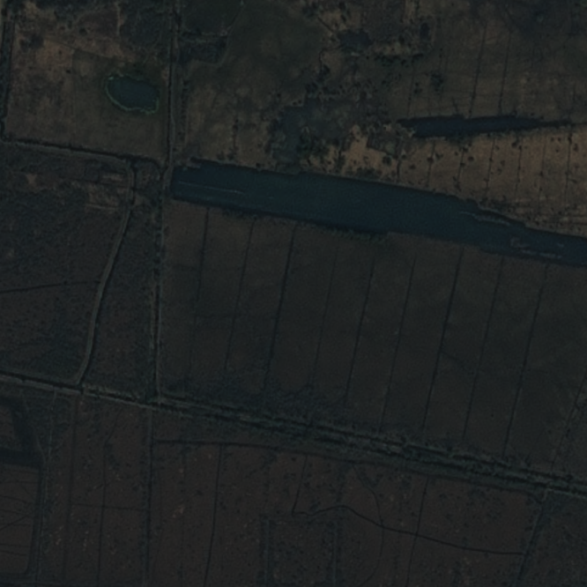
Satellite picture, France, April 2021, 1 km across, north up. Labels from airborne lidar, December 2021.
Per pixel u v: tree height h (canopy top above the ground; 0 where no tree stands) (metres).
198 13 0
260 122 0
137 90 0
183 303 0
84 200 7
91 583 0
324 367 0
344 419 6
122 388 8
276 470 0
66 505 0
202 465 0
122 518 0
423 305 0
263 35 0
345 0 0
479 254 0
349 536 0
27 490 0
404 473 0
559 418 0
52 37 0
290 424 7
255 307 0
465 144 0
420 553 0
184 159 0
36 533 0
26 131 0
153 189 6
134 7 0
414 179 0
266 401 6
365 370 0
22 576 0
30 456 0
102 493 0
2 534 0
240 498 0
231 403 9
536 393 0
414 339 0
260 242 0
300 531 0
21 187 8
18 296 0
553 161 0
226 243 0
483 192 0
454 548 0
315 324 0
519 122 0
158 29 0
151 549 0
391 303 0
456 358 0
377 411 0
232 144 0
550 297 0
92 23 0
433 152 0
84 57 0
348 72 0
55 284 0
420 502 0
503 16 0
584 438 0
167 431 0
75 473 0
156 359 6
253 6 0
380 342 0
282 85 0
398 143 0
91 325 0
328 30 0
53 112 0
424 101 0
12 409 0
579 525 0
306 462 0
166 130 0
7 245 5
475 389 0
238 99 0
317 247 0
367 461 0
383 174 0
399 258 0
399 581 0
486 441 0
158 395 10
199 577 0
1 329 0
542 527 9
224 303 0
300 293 0
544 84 0
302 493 0
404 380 0
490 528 0
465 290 0
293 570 0
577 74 0
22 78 0
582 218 0
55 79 0
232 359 0
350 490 0
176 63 19
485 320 0
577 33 0
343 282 0
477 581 0
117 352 0
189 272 0
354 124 0
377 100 0
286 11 0
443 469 10
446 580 0
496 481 7
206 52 6
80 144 0
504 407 0
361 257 0
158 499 0
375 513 0
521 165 0
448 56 0
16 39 0
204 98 0
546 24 0
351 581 0
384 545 0
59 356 5
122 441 0
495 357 0
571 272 0
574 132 0
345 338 0
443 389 0
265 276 0
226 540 0
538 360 0
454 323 0
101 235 0
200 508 0
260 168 7
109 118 0
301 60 0
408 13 0
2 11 0
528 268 0
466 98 0
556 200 0
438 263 0
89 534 0
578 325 0
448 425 0
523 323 0
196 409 6
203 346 0
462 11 0
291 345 0
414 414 0
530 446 0
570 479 10
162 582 0
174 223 0
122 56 0
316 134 0
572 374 0
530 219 10
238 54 0
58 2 0
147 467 0
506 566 0
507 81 0
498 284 0
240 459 0
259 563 0
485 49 0
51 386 0
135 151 0
